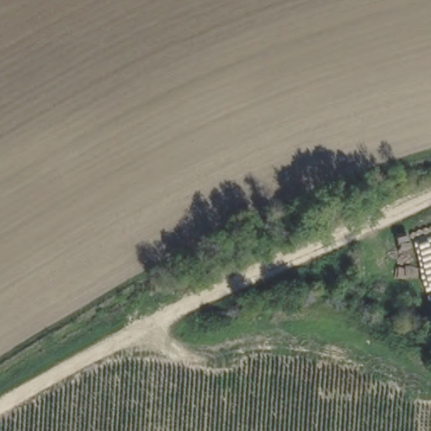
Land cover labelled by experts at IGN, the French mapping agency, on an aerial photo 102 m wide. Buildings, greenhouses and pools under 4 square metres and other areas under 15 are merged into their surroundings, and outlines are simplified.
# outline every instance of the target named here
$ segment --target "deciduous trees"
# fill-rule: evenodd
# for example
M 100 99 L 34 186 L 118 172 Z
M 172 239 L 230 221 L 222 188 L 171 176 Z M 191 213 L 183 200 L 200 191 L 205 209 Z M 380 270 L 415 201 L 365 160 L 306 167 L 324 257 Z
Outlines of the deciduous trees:
M 355 332 L 364 333 L 365 337 L 380 342 L 386 349 L 396 350 L 399 354 L 404 354 L 409 349 L 421 350 L 421 360 L 431 372 L 431 322 L 426 317 L 412 315 L 421 305 L 421 295 L 426 291 L 423 279 L 399 279 L 394 283 L 379 278 L 375 278 L 372 283 L 362 281 L 362 278 L 357 276 L 357 266 L 354 264 L 354 259 L 359 256 L 357 241 L 349 241 L 335 251 L 310 259 L 308 263 L 296 266 L 286 264 L 285 268 L 274 276 L 261 274 L 256 283 L 247 281 L 241 290 L 231 291 L 229 295 L 200 305 L 195 310 L 199 317 L 207 318 L 212 325 L 237 318 L 242 311 L 251 310 L 258 303 L 285 313 L 295 313 L 305 308 L 305 296 L 310 293 L 313 283 L 323 283 L 325 291 L 322 296 L 325 300 L 345 298 L 345 310 L 333 318 L 335 322 L 345 323 L 347 327 L 354 328 Z
M 217 229 L 212 232 L 212 236 L 204 234 L 200 239 L 197 247 L 199 261 L 184 256 L 172 256 L 170 261 L 162 264 L 162 268 L 148 271 L 143 268 L 143 271 L 152 281 L 152 288 L 175 288 L 180 286 L 182 281 L 182 285 L 189 285 L 195 293 L 209 290 L 217 283 L 227 283 L 229 274 L 244 276 L 244 271 L 251 264 L 259 263 L 259 266 L 263 266 L 274 263 L 276 253 L 293 253 L 310 242 L 322 242 L 323 246 L 327 246 L 333 241 L 333 231 L 337 227 L 347 227 L 347 232 L 355 236 L 364 224 L 372 226 L 379 221 L 384 215 L 382 209 L 386 205 L 406 195 L 419 195 L 424 192 L 418 185 L 412 184 L 404 168 L 392 168 L 382 177 L 380 173 L 374 173 L 372 167 L 354 173 L 349 182 L 330 182 L 320 185 L 318 189 L 295 190 L 283 199 L 281 209 L 269 209 L 268 205 L 261 205 L 258 210 L 226 214 Z

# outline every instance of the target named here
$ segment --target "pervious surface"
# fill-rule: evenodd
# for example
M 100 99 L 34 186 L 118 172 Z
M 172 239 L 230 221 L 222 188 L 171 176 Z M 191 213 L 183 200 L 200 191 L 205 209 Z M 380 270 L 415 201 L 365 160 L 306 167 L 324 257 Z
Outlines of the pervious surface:
M 178 342 L 170 335 L 173 322 L 195 310 L 200 305 L 229 295 L 231 291 L 241 290 L 247 281 L 256 283 L 261 274 L 274 276 L 285 268 L 286 264 L 296 266 L 308 263 L 310 259 L 335 251 L 349 241 L 357 241 L 365 239 L 370 234 L 377 234 L 382 229 L 402 221 L 407 215 L 416 214 L 431 205 L 431 190 L 424 192 L 419 195 L 406 195 L 386 205 L 382 209 L 384 215 L 379 221 L 372 226 L 364 224 L 355 236 L 347 232 L 347 227 L 337 227 L 333 231 L 333 241 L 327 246 L 323 246 L 322 242 L 310 242 L 293 253 L 276 253 L 274 263 L 263 266 L 259 266 L 259 263 L 251 264 L 244 271 L 244 276 L 229 274 L 227 283 L 217 283 L 209 290 L 195 293 L 184 296 L 172 305 L 163 306 L 153 315 L 146 315 L 140 320 L 128 323 L 120 332 L 94 343 L 93 347 L 82 350 L 71 359 L 64 360 L 44 374 L 37 375 L 0 397 L 0 416 L 12 411 L 13 407 L 19 406 L 22 402 L 29 401 L 30 397 L 45 391 L 47 387 L 54 386 L 59 380 L 66 379 L 72 372 L 82 370 L 86 365 L 103 359 L 104 355 L 133 345 L 136 350 L 162 352 L 173 364 L 184 365 L 187 369 L 202 370 L 204 374 L 209 374 L 210 367 L 204 357 L 185 349 L 184 343 Z

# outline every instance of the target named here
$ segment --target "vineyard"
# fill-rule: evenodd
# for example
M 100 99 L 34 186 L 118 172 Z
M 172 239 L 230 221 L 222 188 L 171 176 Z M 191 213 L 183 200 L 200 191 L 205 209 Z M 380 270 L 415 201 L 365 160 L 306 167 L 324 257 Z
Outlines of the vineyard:
M 399 401 L 396 396 L 399 392 L 406 392 L 404 387 L 399 386 L 396 380 L 375 380 L 374 375 L 367 372 L 359 374 L 360 367 L 364 364 L 347 357 L 345 350 L 337 345 L 325 345 L 323 350 L 308 350 L 303 345 L 290 345 L 290 355 L 286 357 L 273 355 L 273 350 L 246 350 L 239 354 L 239 357 L 231 359 L 231 365 L 210 367 L 209 374 L 204 374 L 202 370 L 187 369 L 184 365 L 173 364 L 162 352 L 136 350 L 133 345 L 104 355 L 103 359 L 86 365 L 82 370 L 72 372 L 66 379 L 59 380 L 54 386 L 47 387 L 45 391 L 30 397 L 29 401 L 22 402 L 19 406 L 13 407 L 12 411 L 0 416 L 0 431 L 431 431 L 431 399 L 414 399 L 414 404 Z

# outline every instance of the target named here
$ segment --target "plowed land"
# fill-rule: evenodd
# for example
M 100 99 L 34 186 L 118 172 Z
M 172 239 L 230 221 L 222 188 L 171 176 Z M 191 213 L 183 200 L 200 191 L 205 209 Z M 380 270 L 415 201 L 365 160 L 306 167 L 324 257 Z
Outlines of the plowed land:
M 121 283 L 125 283 L 126 279 L 131 279 L 143 271 L 143 268 L 148 271 L 162 268 L 162 264 L 170 261 L 172 256 L 184 256 L 199 261 L 197 247 L 200 239 L 204 234 L 212 236 L 212 232 L 217 229 L 226 214 L 258 210 L 261 205 L 268 205 L 269 209 L 281 209 L 283 199 L 295 190 L 318 189 L 320 185 L 330 182 L 349 182 L 354 173 L 372 167 L 374 163 L 384 163 L 392 158 L 404 158 L 412 153 L 431 150 L 431 0 L 0 0 L 0 355 L 7 354 L 8 350 L 25 342 L 35 333 L 51 327 L 62 318 L 69 317 L 74 311 L 104 295 L 106 291 L 113 290 Z

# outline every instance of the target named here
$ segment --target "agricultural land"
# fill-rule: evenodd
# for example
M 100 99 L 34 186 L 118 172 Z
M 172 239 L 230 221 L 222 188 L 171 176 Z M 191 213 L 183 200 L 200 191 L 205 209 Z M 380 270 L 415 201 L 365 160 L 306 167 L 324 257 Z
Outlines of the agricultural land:
M 379 278 L 394 283 L 399 279 L 399 264 L 392 258 L 389 249 L 392 249 L 392 246 L 394 249 L 401 247 L 399 237 L 404 234 L 431 227 L 431 205 L 416 214 L 407 215 L 402 221 L 382 229 L 377 234 L 370 234 L 365 239 L 357 241 L 359 256 L 354 259 L 354 264 L 357 266 L 357 276 L 362 278 L 362 281 L 372 283 L 375 278 Z
M 412 315 L 426 317 L 431 322 L 431 293 L 426 291 L 421 295 L 421 305 Z

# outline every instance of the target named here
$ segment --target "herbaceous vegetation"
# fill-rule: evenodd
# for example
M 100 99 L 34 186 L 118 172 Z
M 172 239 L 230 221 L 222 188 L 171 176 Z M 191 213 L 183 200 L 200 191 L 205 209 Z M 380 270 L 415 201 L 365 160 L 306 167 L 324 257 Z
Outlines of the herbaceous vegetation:
M 308 350 L 323 350 L 325 345 L 337 345 L 345 350 L 347 357 L 364 364 L 360 367 L 359 374 L 367 372 L 374 375 L 375 380 L 396 380 L 399 386 L 404 387 L 406 392 L 399 392 L 396 396 L 399 401 L 414 404 L 414 399 L 431 399 L 431 372 L 421 360 L 421 350 L 409 349 L 404 354 L 399 354 L 396 350 L 386 349 L 380 342 L 365 337 L 364 333 L 355 332 L 354 328 L 347 327 L 345 323 L 335 322 L 333 318 L 345 310 L 345 298 L 325 300 L 322 296 L 325 291 L 323 283 L 313 283 L 310 293 L 305 296 L 305 308 L 295 313 L 285 313 L 258 303 L 251 310 L 242 311 L 237 318 L 212 325 L 207 318 L 199 317 L 195 310 L 173 322 L 170 335 L 178 342 L 184 343 L 185 349 L 204 357 L 210 367 L 231 365 L 231 359 L 239 357 L 239 354 L 246 350 L 273 350 L 273 355 L 286 357 L 290 355 L 290 345 L 303 345 Z
M 44 374 L 64 360 L 71 359 L 82 350 L 93 347 L 94 343 L 120 332 L 128 323 L 140 320 L 146 315 L 153 315 L 163 306 L 172 305 L 184 296 L 195 293 L 189 285 L 182 285 L 182 281 L 180 286 L 175 288 L 152 288 L 152 281 L 143 271 L 131 279 L 126 279 L 125 283 L 121 283 L 113 290 L 106 291 L 104 295 L 74 311 L 69 317 L 62 318 L 51 327 L 35 333 L 25 342 L 8 350 L 7 354 L 0 355 L 0 397 L 37 375 Z

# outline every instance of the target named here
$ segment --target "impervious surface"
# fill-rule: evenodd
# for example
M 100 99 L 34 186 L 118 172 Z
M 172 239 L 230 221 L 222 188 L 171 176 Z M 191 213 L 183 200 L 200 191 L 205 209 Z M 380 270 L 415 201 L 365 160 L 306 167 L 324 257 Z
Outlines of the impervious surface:
M 426 291 L 431 293 L 431 227 L 404 234 L 399 237 L 401 247 L 394 249 L 392 246 L 392 249 L 389 249 L 392 258 L 399 264 L 399 279 L 423 279 Z

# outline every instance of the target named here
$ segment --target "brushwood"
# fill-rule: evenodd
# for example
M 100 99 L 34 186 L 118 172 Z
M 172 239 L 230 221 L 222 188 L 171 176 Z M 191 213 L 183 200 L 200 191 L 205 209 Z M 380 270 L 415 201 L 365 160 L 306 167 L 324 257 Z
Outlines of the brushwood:
M 404 168 L 412 184 L 418 185 L 424 192 L 431 190 L 431 150 L 412 153 L 404 158 L 392 158 L 384 163 L 374 163 L 372 167 L 374 173 L 380 173 L 382 177 L 392 168 Z

